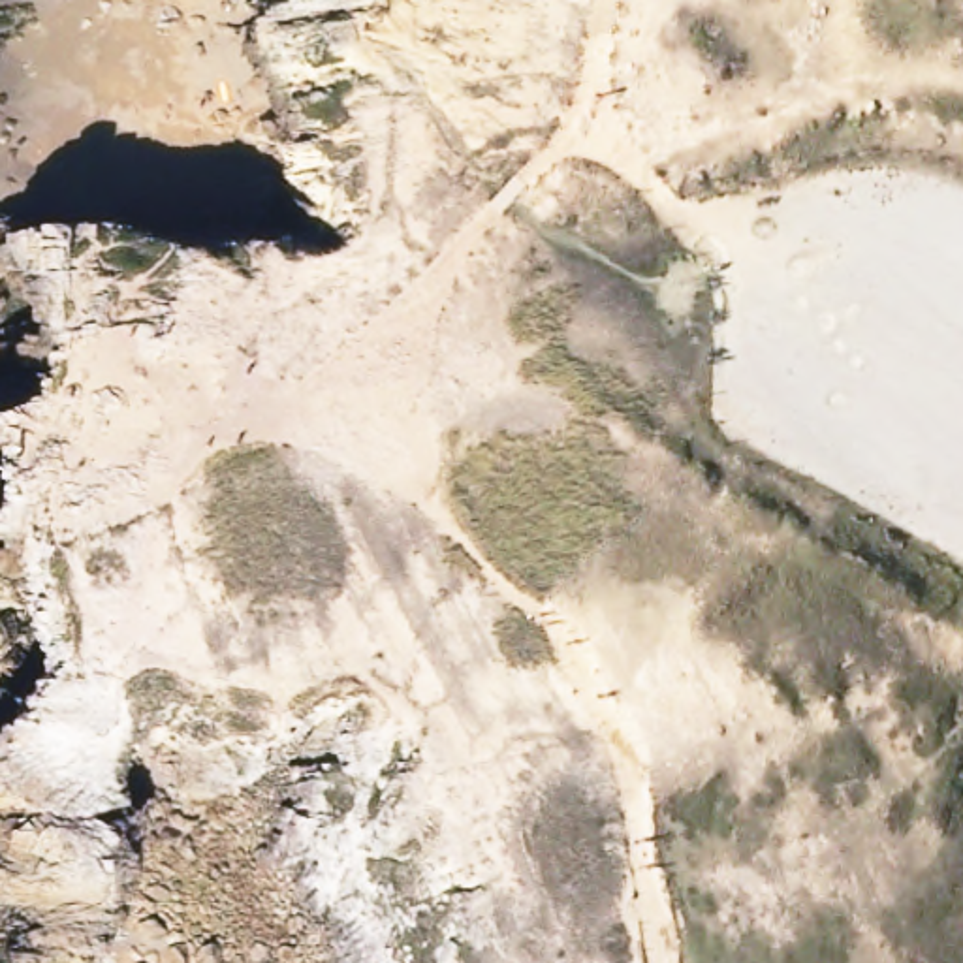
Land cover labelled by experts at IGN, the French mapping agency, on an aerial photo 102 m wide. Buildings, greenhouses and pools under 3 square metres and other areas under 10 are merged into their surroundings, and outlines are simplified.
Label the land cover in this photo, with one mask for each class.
<instances>
[{"label":"bare soil","instance_id":"1","mask_svg":"<svg viewBox=\"0 0 963 963\"><path fill-rule=\"evenodd\" d=\"M384 15H391V0H0V963H459L455 948L440 944V929L451 918L459 895H485L489 884H451L440 895H429V884L418 865L421 850L440 839V816L406 775H346V767H354L365 752L361 734L346 737L335 718H297L286 696H263L252 688L192 692L181 677H173L181 662H199L207 655L203 628L214 621V602L222 598V591L248 594L256 602L290 594L312 602L327 591L346 587L350 553L342 530L331 508L290 470L293 444H252L248 433H237V444L229 451H218L203 463L211 500L203 512L207 542L199 549L166 545L162 519L143 523L139 512L102 530H53V497L41 493L30 478L41 463L53 459V448H64L83 429V418L71 414V395H79V384L68 376V361L49 365V357L60 346H75L83 331L150 327L154 339H166L173 331V301L181 286L207 282L211 308H218L226 293L229 301H241L248 286L260 297H271L297 278L301 252H335L369 226H380L384 218L399 229L406 252L421 256L425 263H436L444 241L455 237L459 226L482 203L508 188L515 173L530 166V158H538L553 143L560 120H545L504 128L489 135L482 147H466L459 128L433 105L425 90H391L369 71L346 68L331 53L346 41V30L339 23H346L354 34L380 30ZM865 30L873 38H884L895 53L925 56L948 38L963 41V0H861ZM692 49L718 68L722 79H741L749 71V53L730 38L722 15L703 11L688 26ZM591 26H579L560 41V71H534V83H545L560 105H576V90L583 83ZM564 181L572 184V203L560 214L538 218L519 203L497 214L482 229V241L466 252L470 275L455 278L451 290L440 297L436 324H448L451 312H466L474 335L470 342L485 354H500L504 365H512L523 376V384L515 387V395L478 406L444 433L451 515L482 542L497 572L534 598L557 594L583 606L598 602L613 579H681L692 591V602L703 609V636L711 643H737L745 658L741 670L775 685V696L790 707V715H805L809 703L831 696L835 734H824L816 745L797 749L786 764H767L764 782L752 797H737L730 782L715 801V813L730 816L726 839H685V824L658 805L651 809L655 846L673 843L677 876L688 888L715 892L718 910L707 933L737 940L749 929H760L771 937L775 948H786L813 925V914L820 907H835L850 918L858 937L850 948V963H895L888 937L880 933V910L895 903L892 888L899 884V865L918 873L937 861L940 835L933 782L963 741V703L937 752L925 760L914 752V741L925 737L933 711L899 703L895 688L903 681L922 677L929 666L952 670L963 681V564L940 553L937 545L914 538L910 530L880 519L876 512H865L839 489L801 470H790L760 455L752 444L722 433L711 410L715 365L726 361V350L715 342V327L730 316L726 308H715V290L722 286V278L703 275L700 290L692 293V312H666L658 305L655 293L662 275L673 263H681L688 248L624 173L594 158H568ZM493 628L504 662L519 670L553 666L557 651L549 632L534 624L519 606H504ZM523 846L538 861L542 892L557 907L572 910L568 940L576 944V952L583 959L606 955L609 963H632L628 929L621 922L617 903L624 884V861H632L624 809L591 801L579 790V782L564 779L545 790L534 828L523 835Z\"/></svg>","mask_w":963,"mask_h":963},{"label":"pervious surface","instance_id":"2","mask_svg":"<svg viewBox=\"0 0 963 963\"><path fill-rule=\"evenodd\" d=\"M703 11L722 15L730 38L749 53V71L741 79H722L718 68L692 49L688 26ZM346 30V41L331 53L346 68L369 71L391 90H425L433 105L459 128L466 147H482L489 135L504 128L545 120H560L553 143L538 158H530V166L515 173L508 188L482 203L459 226L455 237L444 241L436 263H425L421 256L406 252L399 229L384 218L380 226H369L335 252H301L297 278L271 297H260L248 286L241 301H229L226 293L218 308H211L207 282L181 286L173 301V331L166 339H154L150 327L83 331L75 346H60L49 357V365L68 361V376L79 384V395H71V414L83 418V429L64 448H53V459L41 463L30 478L41 493L53 497V530H102L139 512L143 523L162 519L166 545L199 549L207 542L203 512L211 500L203 463L218 451H229L237 444V433H248L252 444H293L290 470L331 508L342 530L350 553L346 587L327 591L312 602L290 594L256 602L248 594L222 591V598L214 602V621L203 628L207 655L199 662H181L173 677H181L192 692L252 688L263 696H286L297 718H335L346 737L361 734L365 752L354 767H346V775H406L440 816V839L421 850L418 865L429 884V895H440L451 884H489L485 895H459L451 918L440 929V944L455 948L459 963H609L606 955L583 959L576 952V944L568 940L572 910L557 907L542 892L538 861L523 846V835L534 828L545 790L564 779L579 782V790L591 801L624 809L632 861H624V884L617 903L621 922L628 929L632 963H677L681 937L670 914L662 873L655 865V846L651 809L658 805L670 794L700 790L715 771H726L730 782L737 797H752L764 782L767 764H786L797 749L816 745L824 734H835L831 696L809 703L805 715H790V707L775 696V685L741 670L745 658L737 643H711L703 636V609L692 602V591L681 579H613L598 602L583 606L557 594L534 598L497 572L482 542L451 515L444 433L478 406L515 395V387L523 384V376L512 365H504L500 354H485L470 342L474 335L466 312H451L448 324H436L440 297L451 290L455 278L470 275L466 252L482 241V229L497 214L519 203L538 218L560 214L572 203V184L564 181L568 158H594L624 173L688 248L681 263H673L662 275L655 293L658 305L666 312H692V293L700 290L703 275L722 278V286L715 290V308H726L730 316L715 327V342L726 350V361L715 365L711 410L722 433L752 444L760 455L790 470H801L839 489L865 512H876L880 519L910 530L914 538L937 545L940 553L963 564V41L948 38L925 56L895 53L884 38H873L865 30L861 0H391V15H384L380 30L354 34L346 23H339ZM579 26H591L583 83L576 90V105H560L545 83H534V71H560V41ZM504 606H519L534 624L549 632L557 651L553 666L519 670L504 662L493 628Z\"/></svg>","mask_w":963,"mask_h":963},{"label":"herbaceous vegetation","instance_id":"3","mask_svg":"<svg viewBox=\"0 0 963 963\"><path fill-rule=\"evenodd\" d=\"M899 703L933 711L925 737L914 741V752L925 760L937 752L963 703V681L952 670L929 666L922 677L903 681L895 688ZM730 782L726 771H715L700 790L670 794L658 805L685 824V839H726L730 816L715 813V801ZM895 903L880 910V933L888 937L895 963H963V835L952 843L948 835H940L937 861L918 873L899 865V884L892 888ZM655 865L662 873L670 914L681 937L677 963H850V948L858 937L850 918L835 907H820L813 914V925L786 948H775L771 937L760 929H749L737 940L707 933L718 910L715 892L688 888L677 876L673 843L655 846Z\"/></svg>","mask_w":963,"mask_h":963},{"label":"brushwood","instance_id":"4","mask_svg":"<svg viewBox=\"0 0 963 963\"><path fill-rule=\"evenodd\" d=\"M940 835H948L952 843L963 835V741L933 782Z\"/></svg>","mask_w":963,"mask_h":963}]
</instances>
